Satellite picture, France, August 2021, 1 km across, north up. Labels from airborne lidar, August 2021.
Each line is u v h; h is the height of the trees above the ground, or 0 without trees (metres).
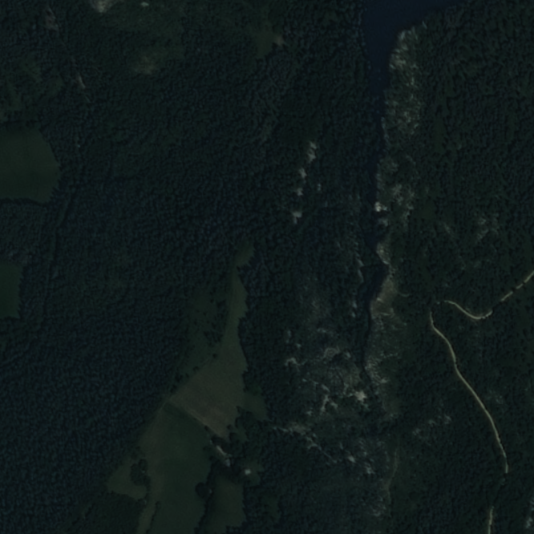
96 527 11
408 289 10
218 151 19
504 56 10
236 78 8
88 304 12
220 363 0
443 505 9
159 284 17
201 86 18
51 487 24
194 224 27
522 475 6
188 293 20
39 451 18
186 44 13
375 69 6
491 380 8
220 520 0
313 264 7
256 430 12
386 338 0
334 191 12
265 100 27
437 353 9
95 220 12
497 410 10
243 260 0
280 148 7
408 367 6
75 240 15
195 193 28
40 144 0
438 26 14
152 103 16
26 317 23
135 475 10
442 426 9
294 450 19
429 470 12
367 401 11
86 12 17
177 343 21
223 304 9
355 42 20
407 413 13
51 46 21
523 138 10
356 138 6
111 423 23
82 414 22
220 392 0
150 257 18
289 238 22
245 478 9
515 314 9
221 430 0
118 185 18
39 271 20
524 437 10
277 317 16
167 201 25
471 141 7
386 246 0
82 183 18
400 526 15
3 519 18
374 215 7
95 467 23
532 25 7
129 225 18
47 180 0
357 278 9
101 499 13
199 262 18
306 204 13
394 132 10
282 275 23
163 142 9
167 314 15
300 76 8
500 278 9
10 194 0
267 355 21
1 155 0
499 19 9
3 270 0
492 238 9
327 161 10
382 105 18
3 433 14
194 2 10
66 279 19
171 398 0
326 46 20
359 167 9
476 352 11
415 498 10
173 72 14
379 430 19
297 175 15
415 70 12
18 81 6
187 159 24
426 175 9
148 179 23
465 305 8
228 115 21
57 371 21
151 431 0
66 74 21
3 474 19
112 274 9
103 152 14
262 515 15
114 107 14
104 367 18
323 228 9
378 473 9
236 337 0
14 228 26
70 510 23
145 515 0
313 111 19
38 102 10
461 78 14
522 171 14
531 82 7
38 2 9
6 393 21
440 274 13
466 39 10
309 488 16
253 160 24
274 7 12
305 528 12
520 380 8
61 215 22
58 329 20
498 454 9
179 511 0
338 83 22
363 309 11
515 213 19
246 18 14
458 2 20
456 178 12
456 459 12
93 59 12
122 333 15
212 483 13
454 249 7
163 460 0
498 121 11
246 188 23
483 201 10
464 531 8
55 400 20
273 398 15
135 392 20
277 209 17
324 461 6
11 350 21
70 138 17
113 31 11
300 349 6
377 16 29
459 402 11
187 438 0
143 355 23
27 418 25
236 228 19
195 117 16
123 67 12
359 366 12
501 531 16
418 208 8
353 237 6
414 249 10
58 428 20
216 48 17
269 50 0
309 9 18
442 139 0
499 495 11
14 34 23
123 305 20
